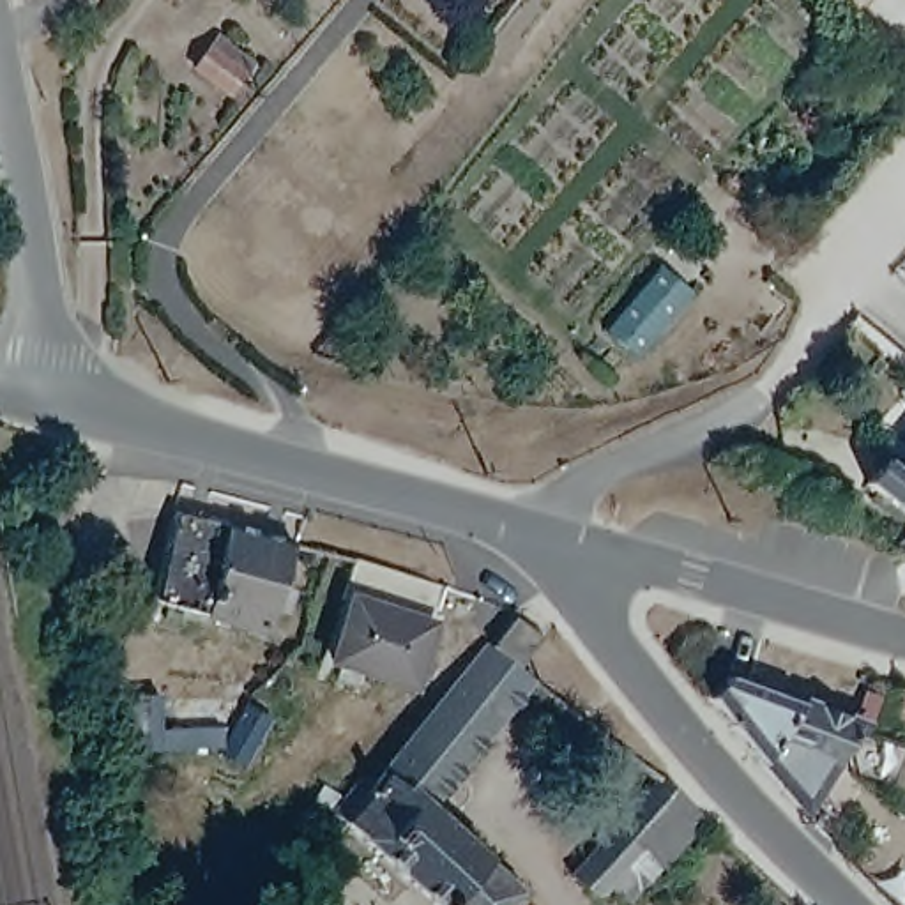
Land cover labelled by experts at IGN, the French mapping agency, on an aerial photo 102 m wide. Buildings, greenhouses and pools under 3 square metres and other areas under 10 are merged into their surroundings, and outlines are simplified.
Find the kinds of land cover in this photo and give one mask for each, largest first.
<instances>
[{"label":"herbaceous vegetation","instance_id":"1","mask_svg":"<svg viewBox=\"0 0 905 905\"><path fill-rule=\"evenodd\" d=\"M127 21H134L131 39L148 57L138 64L141 99L127 110V120L134 127L141 120H166L163 103L170 85L191 88L187 117L180 120V131L170 145L148 152L134 141L120 145L127 166L131 212L145 216L156 198H163V177H177L184 184L202 170V159L209 152H216L219 138L233 127V120L262 99L265 85L286 67V60H293L304 49V39H290L286 25L258 4L237 0H131L124 14ZM403 7L421 18V35L438 32L445 39V21L431 11L428 0H403ZM629 0H484L488 14L498 21L488 67L481 74H445L442 67L417 53L410 57L414 67L431 81L435 99L407 120H392L382 106L378 88L371 85V74L385 67L389 49H396L399 39L371 14H364L354 25V46H336V53L318 67V74L276 117L265 138L255 141V148L216 187L205 212L191 223L180 258L187 262L191 283L198 286L205 304L216 315H223L237 332H244L269 361L297 371L300 385L315 389L318 396L315 410L304 421L322 431L336 428L385 445H399L417 456L449 463L463 474L488 477L495 484H537L555 477V470L566 463L594 456L612 442H622L672 414H682L696 403L718 399L732 389L757 382L774 361L778 346L792 336L802 311L799 290L785 279L792 265L785 255L764 247L753 230L739 216V198L721 191L718 177L696 187L703 202L714 223L725 230L721 251L714 258H686L672 247L665 258V262L689 279L693 297L682 304L679 322L665 325L647 357L629 361V354L619 350L608 357L619 378L601 385L573 354L555 361L548 368V382L523 407H509L495 399L488 368L470 350L453 354L456 378L445 385H424L417 375H410L403 361H389L385 375L378 378L350 382L346 368L332 361V339L339 332V318L346 315V308L382 286V269L392 265L396 255L417 237L421 209L414 202H421L431 180L442 184L438 205L453 209L449 233L460 240L467 262L481 269V276H488V290L495 300L513 308L530 325L541 311L520 290L530 279V269L544 262V244L562 240V223H573L580 216L583 202H597L601 180H615L622 159H633L643 148V141L654 138L658 124L675 117L672 110L686 103V81L696 74V67L714 53L725 32L735 28V21L746 18L749 4L764 0H725L721 11L675 60V67L658 60L654 78L640 85L636 95H615L590 71L597 60L594 49L619 25L615 14ZM573 92H583L590 103H597L615 120V131L608 134V141L597 145V152L580 166L562 198L527 230V237H516L513 244L491 240V226H484V219L474 223L470 209L506 173L495 163L498 148L509 145L520 152L523 141H530ZM18 57L46 180L57 276L67 311H81L95 322L103 318L106 286V244H81V212H71L67 191L57 57L49 49L46 32L42 28L35 39H25ZM124 304V336L113 339V350L120 357L145 361L163 385H177L198 396L237 399L230 385L209 375L194 357H187L145 308L134 304V279L117 290ZM399 318L407 325L424 329L428 336H438L445 322V304L435 297L403 293L396 300ZM81 442L71 424L57 417H42L35 431H18L11 421H0V484L14 491V477L28 474L42 460H53L57 445ZM774 488H739L718 460L672 474H654L650 467L643 474L626 477L619 488L608 491V498H594V527L612 534H633L650 516H679L714 527L718 534L739 541H753L764 530H799L802 527L795 520L778 516ZM304 551L339 555V569L332 576L329 601L318 622V643L329 650L339 640L354 583V566L371 562L435 587H456V573L442 548L339 520H329L315 541H297V559ZM834 544L877 559L894 573L905 562V555L877 551L863 537L841 534ZM11 605H4V626L11 665L25 700L32 757L42 753L53 767L46 824L57 845L64 884L53 894L57 905H74L67 891L74 880V863L67 859L64 813V771L71 757L49 739V711L67 707V682L53 679L39 661V619L49 608V587L14 580L7 587ZM297 633V612L276 615L272 629L233 633L230 622H166L156 605L145 633L131 636L124 647L127 679H145V696L159 693L170 707L177 700H219V711L226 718L233 714L244 693L255 665H262L265 658V647L283 643ZM686 619L682 612L661 605L647 608V626L654 640L665 643L668 633ZM442 643L435 658L449 668L417 700L407 689L385 682H339L336 707L329 714H318L308 728H300V735L290 746L265 725V735L255 746L251 760H230L226 753H212L209 746L191 749L187 767L177 774V792H152V799L145 802L148 824L163 841L159 856L184 877V905H262L265 887L286 884L279 848L297 838L304 817H336L318 799L322 788L339 792L343 817L350 820H354L382 788L378 778L385 774L389 760L410 739V732L431 714V707L449 693L460 672L477 658V650L474 640L484 633V626L474 615L438 622ZM746 650H753L757 661H739V654L725 647L711 658L707 686L700 689L707 696H718L735 679H746L785 696H817L834 714H859L863 703L852 693L856 668L799 654L792 647L771 643L760 633L746 636ZM537 693L513 718V732L509 764L520 771V785L530 802H544V795L566 788L580 774L597 778L601 757H615L626 749L629 760L622 764V771L643 785L647 778H668V771L647 753L636 732L615 711L601 718L608 700L601 696L590 672L580 665V658L559 636L555 643H544L534 658ZM848 802H859L873 827V848L856 866L866 877L870 870H884L891 863H898V870L905 873V817L891 813L870 788L859 785ZM778 887L742 859V852L732 841L721 852L703 856L693 905H774ZM583 905H654L643 891L601 894L594 884H580Z\"/></svg>","mask_w":905,"mask_h":905},{"label":"impervious surface","instance_id":"2","mask_svg":"<svg viewBox=\"0 0 905 905\"><path fill-rule=\"evenodd\" d=\"M88 0H0V184L14 198V212L21 223V247L11 262L0 265V421H11L18 431H35L42 417H57L71 424L81 442L99 460L103 481L74 498L81 513L78 520H71L74 555L88 569L110 562L124 548L131 555H145L152 569V590L159 597H166V573L180 516L216 520L230 534L244 527L247 537H276L286 527V534L297 541H315L329 520H339L442 548L456 573V587H435L371 562L354 566V583H368L421 601L431 608L438 622L474 615L484 626V633L474 640L477 650L498 643L523 612L530 597H548L569 619L576 636L590 647V654L605 665V672L619 682V689L633 700L647 725L665 739V746L689 767V774L718 802L728 806L735 824L795 884L810 891V905H870L831 866V859L820 856L785 820V813L749 781V774L728 757V749L693 714V707L675 693V686L661 675V668L633 636L629 605L640 590H672L721 605L725 619L714 626L725 647L739 654V661H757L753 650H746V636L760 633L767 622H781L817 636L905 658V562L894 573L877 559L834 544L813 541L799 530H764L753 541H739L718 534L714 527L679 516H650L633 534H612L594 527V498H608V491L619 488L626 477L643 474L650 467L654 474H672L718 460L735 445L785 453L788 460L810 463L813 477L838 481V491H856V498L870 509L905 520V502L880 484V474L891 463H905V392L884 410V424L898 428V442L859 445L856 453L845 438L810 428H785V414L771 407V396L781 378H788L806 361L813 336L831 329L834 322L848 332L856 329L859 336H866L884 357L905 354V138H898L887 156L870 163L863 184L824 223L817 247L792 265L785 279L799 290L802 311L792 336L778 346L774 361L757 382L732 389L718 399L696 403L682 414H672L622 442H612L594 456L566 463L555 470V477L537 484V495L530 498L502 502L428 477L325 453L322 431L304 421L315 410L318 396L315 389L300 385V392H283L269 375H262L237 354V346L209 336L198 311L180 293L173 265L180 258L191 223L205 212L216 187L255 148V141L265 138L276 117L318 74V67L336 53V46H354V25L364 14H371L378 0H350L343 14L315 39V46L304 49L293 60H286V67L265 85L262 99L233 120V127L219 138L216 152H209L202 159V170L184 184L170 209L156 219V230L141 237V244L148 247V279L156 283L152 300H159L198 346H205L216 361H223L230 371H237L244 382L258 389V399L251 407L262 414H279V424L272 431L258 435L170 407L106 368V361L99 357V336H106L103 318L95 322L81 311H67L57 276L46 180L18 57L25 39H35L42 28L46 32L60 28L71 14H81ZM877 18L905 28V0H856ZM202 718H226L219 711V700H177L170 707L166 728H205ZM877 778H894L905 788V749L894 742L884 746L863 739L859 753L845 764L838 785L824 802L834 813L841 810V802H848L859 785L870 788ZM873 880L877 894L891 905H905V873L898 870V863H891L884 870H870L866 877Z\"/></svg>","mask_w":905,"mask_h":905},{"label":"deciduous trees","instance_id":"3","mask_svg":"<svg viewBox=\"0 0 905 905\"><path fill-rule=\"evenodd\" d=\"M131 0H88L81 14H71L60 28L46 32L49 49L57 57L71 60L81 49L85 53L103 39L113 18L124 14ZM258 4L286 25H300L308 18L304 0H237ZM431 11L445 21V39L442 67L445 74H481L488 67L498 21L488 14L484 0H428ZM810 14V25L802 53L781 85L788 110L810 127L813 159H834L841 173L820 194L771 198L757 209L753 230L764 247L785 255L792 265L817 247L824 223L863 184L870 163L887 156L898 138H905V28L877 18L856 0H799ZM371 85L378 88L382 106L392 120H407L435 99L431 81L414 67L410 57L396 49H389L385 67L371 74ZM191 88L170 85L163 103L166 120H141L134 127L127 120V110L117 99L110 117L99 120L103 219L117 226L131 212L127 166L120 145L134 141L148 152L170 145L180 131V120L187 117ZM442 184L431 180L421 202H414L421 209L417 237L396 255L392 265L382 269V286L346 308V315L339 318V332L332 339V361L346 368L350 382L378 378L385 375L389 361H403L410 375H417L424 385H445L456 378L453 354L470 350L488 368L495 399L509 407H523L548 382V368L555 361L544 336L530 325L513 308L495 300L488 290V276H481V269L467 262L460 240L449 233L453 209L438 205ZM403 293L435 297L445 304V322L438 336H428L424 329L407 325L399 318L396 300ZM21 247V223L14 212V198L0 184V265L11 262ZM658 240L672 247L686 258H714L721 251L725 230L714 223L703 202L700 209L675 216L658 233ZM106 336L113 339L124 336V304L117 290L106 286L103 318ZM905 392V354L884 357L866 336H859L856 329L848 332L834 322L831 329L813 336L806 361L788 378H781L771 396V407L785 414V428H810L845 438L856 453L859 445L898 442V428L884 424V410ZM103 481L99 460L81 442L57 445L53 460H42L28 474L14 477V491L0 484V562L4 569H11L14 580L49 587V608L39 619V661L53 679L67 682V707L49 711V739L71 757L64 771V813L67 859L74 863V880L67 891L74 905H184V877L159 856L163 841L148 824L145 802L152 799V792L145 778L148 753H156L145 718V679H127L124 647L131 636L145 633L156 605L159 597L152 590V569L145 555H131L124 548L110 562L88 569L74 555L71 520H78L81 513L74 498ZM739 488H774L778 516L795 520L802 527L799 530L813 541L834 544L841 534L863 537L877 551L905 555V520L870 509L856 498V491H838V481L813 477L810 463L788 460L785 453L735 445L718 460ZM725 647L714 626L703 619H686L668 633L665 643L675 668L700 689L707 686L711 658ZM891 813L905 817V788L894 778H877L870 788ZM834 848L856 866L873 848V827L859 802H841V810L834 813L827 827ZM350 820L343 817H304L297 838L279 848L286 884L265 887L262 905H346L343 891L361 870L357 852L346 848L343 834ZM732 841L711 813H703L693 831V845L675 863H668L658 873V880L643 891L654 905H693L703 856L721 852Z\"/></svg>","mask_w":905,"mask_h":905},{"label":"building","instance_id":"4","mask_svg":"<svg viewBox=\"0 0 905 905\"><path fill-rule=\"evenodd\" d=\"M693 297L689 279L665 262L661 272L629 304V311L608 329V336L622 339L619 350L629 354V361L647 357L665 325L679 322L682 304ZM880 484L905 502V463H891L880 474ZM297 559V541L286 534V527L276 537H247L244 527L230 534L216 520L180 516L166 573V597H159L156 605L166 622H230L233 633L272 629L276 615L297 612L300 590L290 587V580ZM442 643L438 622L431 608L421 601L368 583H354L339 640L329 650L339 682H385L407 689L417 700L449 668L435 658ZM559 636L555 626H541L523 612L498 643L477 650V658L460 672L449 693L431 707V714L410 732V739L389 760L385 774L378 778L382 788L354 820L389 856L403 859L407 870L449 905H513V898H520L523 891L516 866L506 859V852L488 845V838L460 806H453V795L477 767V760L488 757L495 732H513V718L537 693L534 658L544 643H555ZM732 711L735 725L749 735V742L767 757L774 778L792 792L802 820L827 827L834 813L824 802L838 785L845 764L859 753L863 739L866 725L880 718L884 696L870 693L863 703L859 714H834L817 696H785L746 679H735L718 696ZM145 718L156 753H166L173 746L191 749L209 746L212 753H226L230 760H251L255 746L265 735V725L269 711L244 693L233 714L226 718H202L205 728H166L170 707L159 693L145 696ZM647 799L636 810L629 831L615 834L605 845L583 841L576 852L566 856V870L580 884H594L601 894L643 891L658 880V873L668 863H675L693 845V831L703 813L668 778H647L643 785ZM318 799L336 817H343L339 792L322 788Z\"/></svg>","mask_w":905,"mask_h":905},{"label":"pervious surface","instance_id":"5","mask_svg":"<svg viewBox=\"0 0 905 905\"><path fill-rule=\"evenodd\" d=\"M134 21H127L124 14L113 18L103 39L85 53V67L78 78V127L85 163L81 212V244H106L103 219L99 120V95L106 88L110 64L120 42L131 39ZM99 357L106 361V368L170 407L258 435L272 431L279 424V414H262L251 407L237 399L198 396L177 385H163L145 361L120 357L113 350V339L106 336H99ZM325 453L428 477L502 502L530 498L537 495V484H495L488 477L463 474L449 463L417 456L399 445H385L336 428L322 431ZM14 580L11 569H4L0 562V905H57L53 894L64 884L57 845L46 824L53 767L42 753L32 757L25 700L11 665L4 626V605H11L7 587ZM661 605L682 612L686 619H703L714 626L725 619L721 605L672 590H640L629 605L633 636L661 668V675L675 686V693L693 707V714L728 749V757L749 774V781L785 813V820L820 856L831 859V866L870 905H891L877 894L873 880L866 877L856 866L834 848L827 827L802 820L792 792L774 778L767 757L749 742V735L735 725L732 711L718 696H707L700 689L675 668L665 643L654 640L647 626V608ZM541 626H555L559 636L580 658V665L590 672L601 696L608 700L601 718L615 711L636 732L647 753L668 771V778L703 813H711L732 841L742 852V859L778 887L774 905H810V891L795 884L735 824L728 806L718 802L689 774V767L665 746V739L647 725L633 700L619 689V682L605 672V665L590 654V647L576 636L569 619L548 597H530L523 612ZM760 633L771 643L792 647L799 654L856 668L905 675V658L817 636L781 622H767ZM513 732H495L488 757L477 760V767L453 795V806H460L488 838V845L506 852V859L516 866L523 891L520 898H513V905H583L580 884L566 870V856L559 848V838L530 813V802L520 785V771L509 764ZM343 834L346 848L357 852L361 870L343 891L346 905H449L407 870L403 859L389 856L354 820H350Z\"/></svg>","mask_w":905,"mask_h":905},{"label":"agricultural land","instance_id":"6","mask_svg":"<svg viewBox=\"0 0 905 905\"><path fill-rule=\"evenodd\" d=\"M308 18L300 25H286L290 39H304V49L315 46V39L343 14L350 0H304ZM725 0H629L615 14L619 25L594 49L597 60L590 71L615 95H636L640 85L654 78L658 60L675 67V60L721 11ZM810 25V14L799 0H764L749 4L746 18L735 21V28L725 32L714 53L696 67V74L686 81V103L672 110L675 117L658 124L654 138L643 141V148L633 159H622L615 180H601L597 202H583L580 216L573 223H562V240L544 244V262L530 269V279L520 290L541 311L530 325L544 336L555 361L573 354L576 343H597V350L608 357L619 350L622 339L608 336V329L605 315L622 300L629 283L650 265V258H665L672 247L658 240V233L675 216L700 209L703 202L696 187L718 177V170H753L749 156H735L732 148L735 131L757 117L771 88L781 85L802 53ZM615 131V120L597 103H590L583 92H573L530 141H523L520 152L509 145L498 148L495 163L506 173L470 209L474 223L484 219V226H491V240L513 244L516 237H527V230L562 198L580 166L597 152V145L608 141V134Z\"/></svg>","mask_w":905,"mask_h":905},{"label":"brushwood","instance_id":"7","mask_svg":"<svg viewBox=\"0 0 905 905\"><path fill-rule=\"evenodd\" d=\"M399 39L396 49L410 57L417 53L442 67L445 39L438 32L421 35V18L403 7V0H378L371 14ZM148 57L131 39L120 42L110 64L106 88L99 95V120L110 117L117 99L127 110L141 99L138 64ZM67 191L71 212H81L85 163L78 127V78L85 67V53L81 49L71 60L57 57ZM732 148L735 156H749L753 170H718V177L721 191L739 198V216L753 230L757 209L771 198L820 194L841 173L834 159H813L810 127L788 110L781 85L771 88L757 117L735 131ZM163 198H156L145 216L131 212L117 226L103 219L106 244V286L117 290L134 279V304L145 308L187 357H194L209 375L230 385L237 399L251 407L258 399V389L244 382L237 371H230L223 361H216L205 346H198L159 300H152L156 283L148 279V247L141 244V237L156 230V219L170 209L184 184L177 177H163ZM180 293L198 311L209 336L237 346V354L262 375H269L283 392H300V385L297 371L269 361L244 332H237L223 315H216L205 304L198 286L191 283L187 262L180 258L173 265ZM665 262V258H650V265L629 283L622 300L605 315L608 329L629 311V304L661 272ZM573 354L601 385L619 378L608 357L597 350V343H576ZM339 569V555L304 551L297 559L290 580V587L300 590L297 612V633L283 643L265 647V658L262 665H255L244 693L269 711L265 725L290 746L300 735V728H308L318 714H329L336 707L339 682L329 650L318 643V622L329 601L332 576ZM852 693L863 703L870 693L884 696L880 718L866 725L863 739L884 746L894 742L905 749V675L856 668ZM191 749L173 746L166 753H148L145 778L152 792H177V774L187 767Z\"/></svg>","mask_w":905,"mask_h":905},{"label":"coniferous trees","instance_id":"8","mask_svg":"<svg viewBox=\"0 0 905 905\"><path fill-rule=\"evenodd\" d=\"M629 760L626 749L615 757H601L597 778L580 774L566 788L544 795V802H530V813L559 838V848L566 856L576 852L583 841L605 845L615 834L629 831L636 810L647 799L643 785L622 771V764Z\"/></svg>","mask_w":905,"mask_h":905}]
</instances>
